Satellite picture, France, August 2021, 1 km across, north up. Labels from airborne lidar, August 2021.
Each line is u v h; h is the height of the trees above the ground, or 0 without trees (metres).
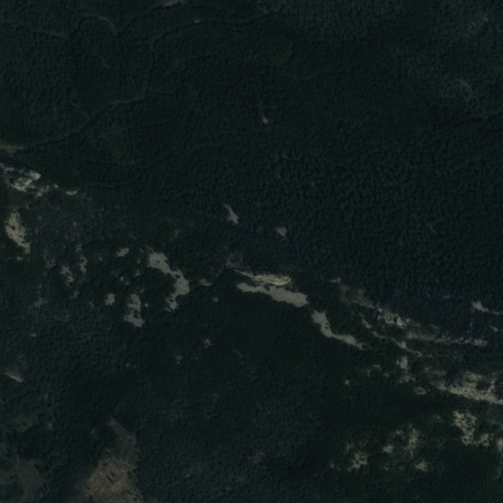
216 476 10
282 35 22
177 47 13
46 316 7
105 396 11
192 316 15
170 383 11
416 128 17
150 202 16
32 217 6
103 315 10
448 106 15
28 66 14
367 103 20
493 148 24
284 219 15
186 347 12
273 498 9
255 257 7
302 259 8
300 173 17
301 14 11
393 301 11
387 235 16
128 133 6
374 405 17
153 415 12
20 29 9
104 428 13
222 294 12
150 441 13
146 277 14
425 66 9
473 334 6
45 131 16
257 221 13
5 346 12
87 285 15
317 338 14
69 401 15
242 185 20
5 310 9
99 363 10
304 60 23
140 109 16
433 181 15
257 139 14
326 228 15
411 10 13
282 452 9
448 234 11
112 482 19
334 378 12
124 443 0
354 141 21
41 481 0
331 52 26
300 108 18
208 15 16
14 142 14
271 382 10
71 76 9
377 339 8
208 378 12
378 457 14
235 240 6
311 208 17
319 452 17
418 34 18
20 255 10
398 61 17
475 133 22
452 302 11
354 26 8
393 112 18
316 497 13
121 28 16
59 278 11
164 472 11
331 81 26
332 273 7
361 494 14
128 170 7
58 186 8
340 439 10
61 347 15
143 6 16
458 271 16
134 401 14
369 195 17
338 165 18
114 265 14
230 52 13
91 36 12
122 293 9
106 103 14
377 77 27
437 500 13
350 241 15
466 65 9
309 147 18
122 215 8
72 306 11
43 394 11
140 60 12
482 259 10
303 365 16
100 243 13
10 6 12
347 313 10
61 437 14
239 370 12
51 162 18
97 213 8
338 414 15
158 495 9
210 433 15
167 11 16
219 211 22
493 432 8
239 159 15
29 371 8
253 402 11
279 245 8
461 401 7
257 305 12
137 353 10
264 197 16
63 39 9
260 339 15
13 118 20
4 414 19
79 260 7
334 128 20
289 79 17
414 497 10
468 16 8
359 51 27
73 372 15
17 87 14
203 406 9
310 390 8
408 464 11
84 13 9
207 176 19
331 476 12
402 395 17
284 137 9
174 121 20
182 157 16
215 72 14
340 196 27
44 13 14
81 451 18
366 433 10
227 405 9
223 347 13
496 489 12
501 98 13
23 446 15
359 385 9
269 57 8
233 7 18
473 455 15
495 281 13
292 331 12
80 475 20
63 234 9
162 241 11
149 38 11
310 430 9
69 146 12
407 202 9
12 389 13
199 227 6
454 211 22
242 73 16
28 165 9
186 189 23
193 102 15
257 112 9
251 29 16
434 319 7
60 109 11
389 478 11
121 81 8
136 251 13
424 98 16
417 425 9
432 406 15
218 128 18
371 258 15
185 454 7
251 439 17
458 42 9
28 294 8
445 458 11
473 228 20
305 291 15
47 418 16
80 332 9
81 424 16
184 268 20
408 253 12
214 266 9
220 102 14
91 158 9
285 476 18
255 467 10
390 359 10
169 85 17
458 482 18
